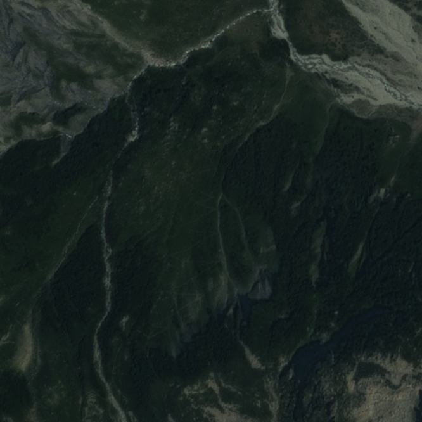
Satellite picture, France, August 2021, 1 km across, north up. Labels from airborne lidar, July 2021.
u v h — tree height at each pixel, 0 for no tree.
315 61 0
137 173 0
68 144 0
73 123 0
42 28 0
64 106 0
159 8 0
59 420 0
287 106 0
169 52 0
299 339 0
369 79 0
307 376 0
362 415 0
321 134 0
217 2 0
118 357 0
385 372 0
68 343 0
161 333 0
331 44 0
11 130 0
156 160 0
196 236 0
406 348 0
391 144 0
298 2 0
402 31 0
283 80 0
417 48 0
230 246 0
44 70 0
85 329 0
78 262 6
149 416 0
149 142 0
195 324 0
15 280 0
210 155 0
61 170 7
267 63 0
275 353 0
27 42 0
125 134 9
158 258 0
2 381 0
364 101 0
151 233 0
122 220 0
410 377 0
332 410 0
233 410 0
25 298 0
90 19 0
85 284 5
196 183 0
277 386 0
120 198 0
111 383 0
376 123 0
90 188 0
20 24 0
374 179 7
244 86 0
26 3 0
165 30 0
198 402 0
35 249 0
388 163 0
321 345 0
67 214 0
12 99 0
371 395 0
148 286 6
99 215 0
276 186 7
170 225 0
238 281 0
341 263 0
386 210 7
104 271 6
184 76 0
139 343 0
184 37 0
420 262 7
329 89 0
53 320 5
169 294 0
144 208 0
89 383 0
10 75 0
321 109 0
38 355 0
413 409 0
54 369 0
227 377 0
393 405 0
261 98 0
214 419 0
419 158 0
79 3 0
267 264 0
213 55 0
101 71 0
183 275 0
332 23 0
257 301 0
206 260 0
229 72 7
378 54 0
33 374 0
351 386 0
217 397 0
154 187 0
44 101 0
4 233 0
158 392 0
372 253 6
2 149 0
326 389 0
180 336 0
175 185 0
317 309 0
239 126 0
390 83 0
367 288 6
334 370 0
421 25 0
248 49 0
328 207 0
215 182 0
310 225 6
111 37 0
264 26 0
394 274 6
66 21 0
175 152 0
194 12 0
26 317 0
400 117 0
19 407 0
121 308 6
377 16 0
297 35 0
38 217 5
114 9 0
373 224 7
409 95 0
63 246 0
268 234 0
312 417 0
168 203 0
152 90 7
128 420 0
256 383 0
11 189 0
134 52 0
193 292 0
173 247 0
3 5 0
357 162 7
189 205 0
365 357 0
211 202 0
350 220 7
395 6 0
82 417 0
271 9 0
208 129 0
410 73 0
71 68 0
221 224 0
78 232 0
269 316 0
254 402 0
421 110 0
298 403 0
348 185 5
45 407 0
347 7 0
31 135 0
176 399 0
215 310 0
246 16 0
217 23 0
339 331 0
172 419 0
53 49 0
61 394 0
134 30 0
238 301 0
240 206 0
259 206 6
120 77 0
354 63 0
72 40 0
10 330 0
